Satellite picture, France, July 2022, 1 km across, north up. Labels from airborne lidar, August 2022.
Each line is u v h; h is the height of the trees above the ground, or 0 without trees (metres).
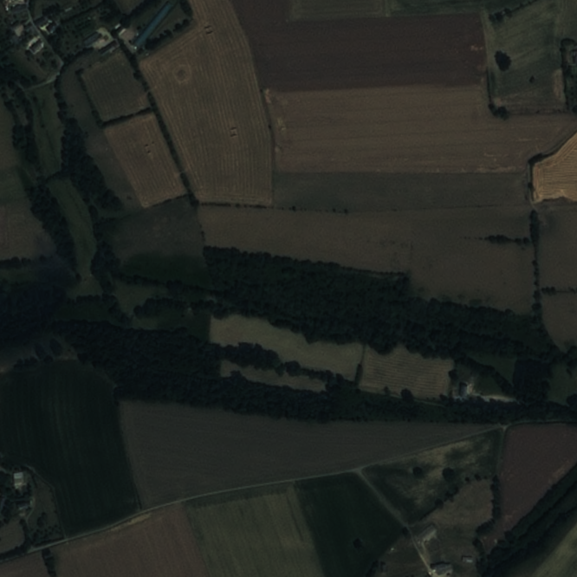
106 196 14
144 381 22
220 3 0
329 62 0
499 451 0
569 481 7
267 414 11
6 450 0
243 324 0
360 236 0
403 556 0
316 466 0
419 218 0
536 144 0
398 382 0
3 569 0
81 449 0
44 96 0
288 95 0
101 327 19
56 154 0
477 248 0
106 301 18
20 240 0
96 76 0
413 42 0
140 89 0
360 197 0
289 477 0
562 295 0
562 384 0
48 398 0
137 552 0
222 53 0
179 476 0
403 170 0
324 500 0
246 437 0
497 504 12
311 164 0
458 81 0
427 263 0
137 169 0
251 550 0
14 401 0
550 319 0
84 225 0
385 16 0
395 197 0
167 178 0
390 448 0
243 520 0
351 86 0
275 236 0
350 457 0
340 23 0
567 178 0
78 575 0
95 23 0
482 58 0
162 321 0
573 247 0
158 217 0
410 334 23
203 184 0
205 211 0
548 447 0
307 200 0
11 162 0
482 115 0
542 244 0
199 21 0
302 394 13
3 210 0
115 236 0
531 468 0
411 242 0
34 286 5
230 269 18
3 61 11
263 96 0
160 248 0
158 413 0
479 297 0
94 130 0
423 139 0
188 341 16
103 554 0
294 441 0
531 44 0
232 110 0
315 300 12
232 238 0
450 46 0
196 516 0
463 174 0
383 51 0
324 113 0
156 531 0
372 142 0
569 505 0
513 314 15
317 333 19
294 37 0
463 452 0
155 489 0
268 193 0
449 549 0
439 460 0
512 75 0
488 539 0
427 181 0
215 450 0
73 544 0
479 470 0
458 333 17
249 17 0
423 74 0
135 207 0
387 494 0
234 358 21
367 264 0
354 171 0
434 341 24
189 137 0
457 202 0
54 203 22
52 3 0
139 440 0
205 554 0
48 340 0
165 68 0
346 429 0
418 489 0
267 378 0
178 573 0
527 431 0
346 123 0
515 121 0
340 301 11
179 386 24
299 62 0
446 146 0
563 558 0
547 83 0
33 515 0
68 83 0
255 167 0
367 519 0
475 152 0
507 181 0
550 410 23
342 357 0
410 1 0
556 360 16
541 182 0
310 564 0
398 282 9
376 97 0
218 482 0
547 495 11
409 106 0
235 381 17
